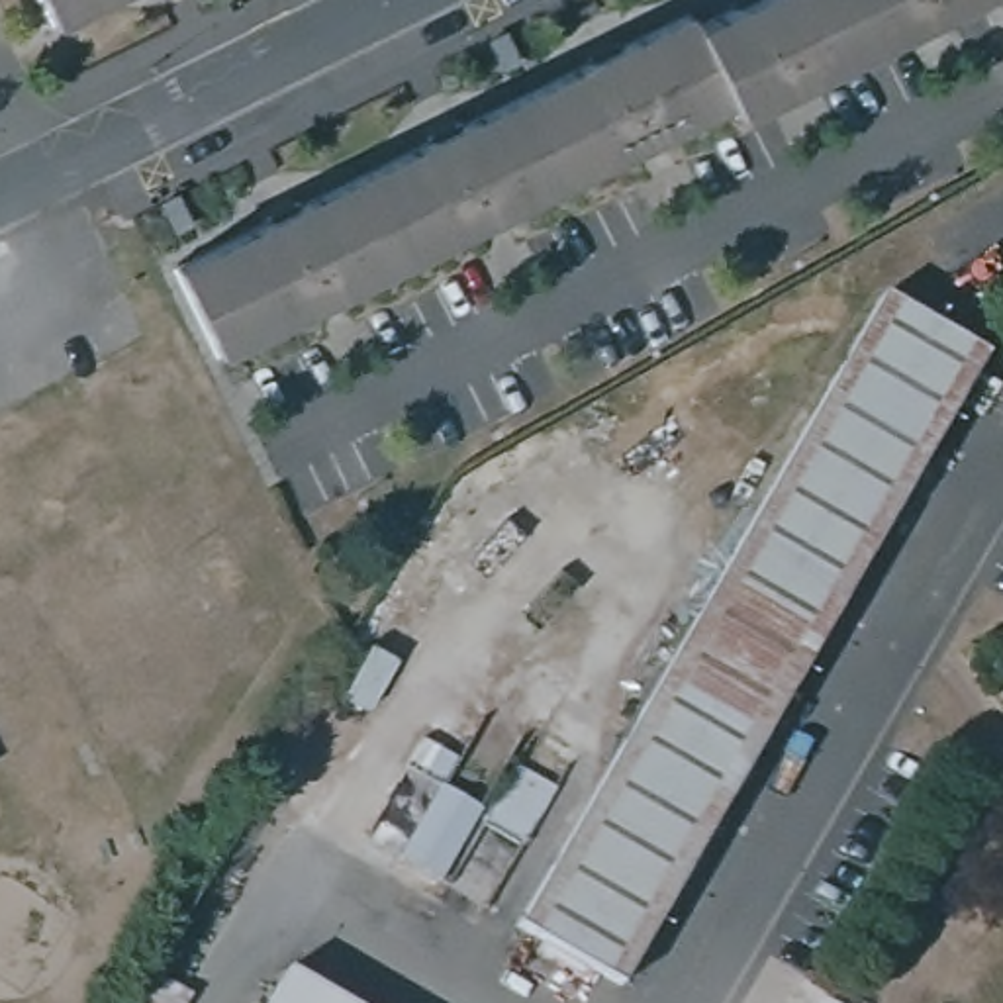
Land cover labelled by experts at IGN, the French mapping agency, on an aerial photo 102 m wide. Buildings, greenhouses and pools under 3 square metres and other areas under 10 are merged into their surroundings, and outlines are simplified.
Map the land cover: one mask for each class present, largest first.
<instances>
[{"label":"impervious surface","instance_id":"1","mask_svg":"<svg viewBox=\"0 0 1003 1003\"><path fill-rule=\"evenodd\" d=\"M176 4V24H165V31H153L145 39H129L110 55L90 51L86 71L74 82L55 78V102L39 106L20 94L16 67L8 51L0 47V223L35 208L47 219H67L78 208H102L133 219L168 215L172 231H196V243L168 251L161 263L172 290L208 360L223 357V345L180 263L227 227L239 231L243 243L259 239L266 227L290 223L306 208L325 204L333 192L396 161L423 157L431 145H447L462 137L470 125H486L498 110L537 90L580 78L588 67L619 59L627 47L650 43V35L682 20L705 24L713 31L729 24L733 12H752L764 0H149ZM537 20H552L568 35L560 39V47L549 51L552 63L537 71H517L521 55L529 51L525 27ZM447 63H470L478 74L498 67L502 74H509V82L462 106H451L439 90ZM376 102L407 106L400 114V137L329 172H317L310 157L302 168L282 172L286 145L325 149L337 141L341 125L353 114ZM227 176H239L251 188L219 223H204L196 192L204 184H223ZM960 59H976L979 71H987L979 78V90L956 82L944 102H925V67H956ZM976 133L1003 137V0H968L960 12L940 16L936 31L874 35L850 59V78L827 74L823 82L803 90L791 110H780L764 121L740 125L729 118V110L705 106L693 110L678 133H654L643 149L588 157L584 165L568 168L564 180H549L513 196L517 212L525 215V223L517 227H505L502 219L478 227L443 223L431 239L415 243L396 263L353 274L329 298L325 310L286 313V337L274 341L263 357L259 349H247L243 360V368L255 372L251 380L266 400L270 411L286 419V427L278 443H263L290 525L302 549H310L317 533L329 537L345 529L357 513H364L392 490H435V502L443 505L435 513V529L407 556V564L400 568L384 603L372 615V631H400L415 643V650L411 658L368 650L364 666L353 678V705L364 709V721H341L333 729V756L325 776L310 780L298 795H290L274 811V823H266L255 835L259 862L251 870L227 874V913L215 921L212 936L200 948L204 987L188 991L184 983H165L157 991V1003H278L274 987L290 968H310L357 991V1003H823L827 987H819L807 976L811 948L827 932L838 905L854 893V878H862L874 862L893 803L905 791V776L917 772V764L936 740L956 733L987 709L1003 713V690L991 693L979 686L972 658L976 639L1003 627V337L987 325L976 302V282H987L1003 263V168L991 180H976V172L964 168L960 157L972 149L968 137ZM690 180H705L713 215H686L678 235H654L650 208L666 204L674 188ZM721 259H729L737 278L756 282L760 294L721 310L705 286V266ZM885 286L905 290L940 317H952L956 325L972 329L991 345V357L976 372L948 431H940L944 439L936 443L913 494L905 498L885 541L878 545L874 560L854 584L842 615L835 619L811 670L803 674L784 717L764 740L756 764L737 788L729 811L721 815L682 893L662 917L654 940L646 944L631 976H623L619 968L584 956L545 925L521 921V909L537 878L556 862V838L568 823L564 815L584 799L588 788L603 780L607 764L615 760V748L631 737L639 705L650 701L654 682L662 674V650L682 646L690 619H697L701 607L721 592L729 568L737 564V552L760 525V513L768 509L764 486L772 482L776 458H784L788 451L799 411L815 407L819 392L827 388V376L846 360V349L858 337L874 294ZM384 427H407V435L415 439V458L404 478L380 451ZM423 768L451 772V784L431 799L415 831H400L392 842L368 835L364 823L384 811L392 788L400 795H411L415 776Z\"/></svg>","mask_w":1003,"mask_h":1003},{"label":"herbaceous vegetation","instance_id":"2","mask_svg":"<svg viewBox=\"0 0 1003 1003\"><path fill-rule=\"evenodd\" d=\"M20 4L31 27V35L12 43L8 51L16 67L39 59L55 78L74 82L86 71L90 51L110 55L129 39H145L153 31H165V24H176V4L149 0H133L118 16L82 24L78 31L63 24L55 35L43 27V12L35 0H4ZM114 227H133V219L102 208H78L67 219H47L35 208L0 223V1003H82L90 976L110 960L121 921L129 917L137 893L153 878L157 823L180 811L184 803H196L204 795L212 768L235 756V744L243 737L259 733L266 697L282 666L290 662V646L333 619L313 568L317 552L310 549H302L290 525L263 443L251 427V411L259 400H266L251 380L255 372L243 368V360L223 357L208 360L172 290L168 298H157L145 282L133 278L129 255L121 247L114 251ZM956 733L976 748V768L1003 780V713L987 709ZM897 979H889L874 1003H1003V925H987L979 909L948 917L940 901H917L913 940L901 944L889 964Z\"/></svg>","mask_w":1003,"mask_h":1003},{"label":"building","instance_id":"3","mask_svg":"<svg viewBox=\"0 0 1003 1003\"><path fill-rule=\"evenodd\" d=\"M43 12V27L55 35L63 24L78 31L82 24L118 16L133 0H35ZM968 0H764L752 12H733L729 24L713 31L705 24L682 20L650 35V43L627 47L619 59L588 67L580 78L537 90L498 110L486 125H470L462 137L447 145H431L423 157L396 161L333 192L325 204L306 208L290 223L266 227L259 239L243 243L239 231L227 227L180 263L223 345V357L243 360L247 349H259L263 357L274 341L286 337V313L325 310L329 298L353 274L396 263L415 243L431 239L443 223L478 227L502 219L505 227H517L525 223V215L517 212L513 196L549 180H564L568 168L584 165L588 157L643 149L654 133H678L693 110L705 106L729 110V118L740 125L764 121L780 110H791L803 90L823 82L827 74L850 78V59L874 35L936 31L940 16L960 12ZM991 357V345L972 329L956 325L952 317H940L905 290L885 286L874 294L858 337L846 349V360L827 376V388L819 392L815 407L799 411L788 451L784 458H776L772 482L764 486L768 509L760 513V525L737 552V564L729 568L721 592L701 607L697 619H690L682 646L662 650V674L654 682L650 701L639 705L631 737L615 748V760L607 764L603 780L588 788L584 799L564 815L568 823L556 838V862L537 878L521 909V921L545 925L584 956L619 968L623 976H631L646 944L654 940L662 917L682 893L721 815L729 811L737 788L756 764L764 740L784 717L803 674L811 670L835 619L842 615L854 584L874 560L878 545L885 541L905 498L913 494L936 443L944 439L940 431H948L976 372ZM451 784V772L423 768L415 776L411 795H400L392 788L384 811L364 823L368 835L392 842L400 831H415L431 799ZM278 1003H357V991L310 968H290L274 987Z\"/></svg>","mask_w":1003,"mask_h":1003},{"label":"deciduous trees","instance_id":"4","mask_svg":"<svg viewBox=\"0 0 1003 1003\"><path fill-rule=\"evenodd\" d=\"M31 35V27L20 4L4 0H0V47L8 51L12 43ZM568 35L552 20H537L525 27L529 51L521 55L517 71H537L552 63L549 51L560 47V39ZM20 94L39 106L55 102V78L39 59L16 67ZM987 71H979L976 59H960L956 67H925V102H944L956 82L979 90V78ZM509 82V74H502L498 67L478 74L470 63H447L439 90L451 106H462ZM407 106L376 102L353 114L341 125L337 141L325 149L286 145L282 172L302 168L310 157L317 172H329L400 137V114ZM972 149L960 157L964 168L976 172V180H991L1003 168V137L976 133L968 137ZM251 188L239 176H227L223 184H204L196 192L204 223H219ZM686 215H713L705 180H690L674 188L666 204L650 208L654 235H678ZM196 243V231H172L168 215L133 219V227H114V251L121 247L129 255L133 278L145 282L157 298H168L172 290L161 263L168 251ZM705 286L721 310L760 294L756 282L737 278L729 259H721L705 266ZM976 302L987 325L1003 337V263L987 282H976ZM251 427L263 443H278L286 427V419L270 411L266 400H259L251 411ZM380 451L404 478L415 458V439L407 435V427H384ZM443 505L435 502V490H392L364 513H357L345 529L329 537L317 533L310 549L317 552L313 568L333 619L290 646V662L282 666L266 697L259 733L243 737L235 744V756L212 768L204 795L196 803H184L180 811L157 823L153 878L137 893L129 917L121 921L110 960L90 976L82 1003H157V991L165 983H184L188 991L204 987L200 948L212 936L215 921L227 913V874L251 870L259 862L255 835L266 823H274V811L290 795H298L310 780L325 776L333 756V729L341 721H364V709L353 705V678L364 666L368 650L411 658L415 650V643L400 631H372V615L384 603L400 568L407 564V556L435 529V513ZM979 686L991 693L1003 690V627L976 639L972 658ZM940 901L948 917L979 909L987 925H1003V780L976 768V748L956 733L936 740L917 764V772L905 776V791L893 803L874 862L862 878H854V893L838 905L827 932L811 948L807 976L819 987H827L823 1003H874L889 979H897L889 964L901 944L913 940L917 901Z\"/></svg>","mask_w":1003,"mask_h":1003}]
</instances>
